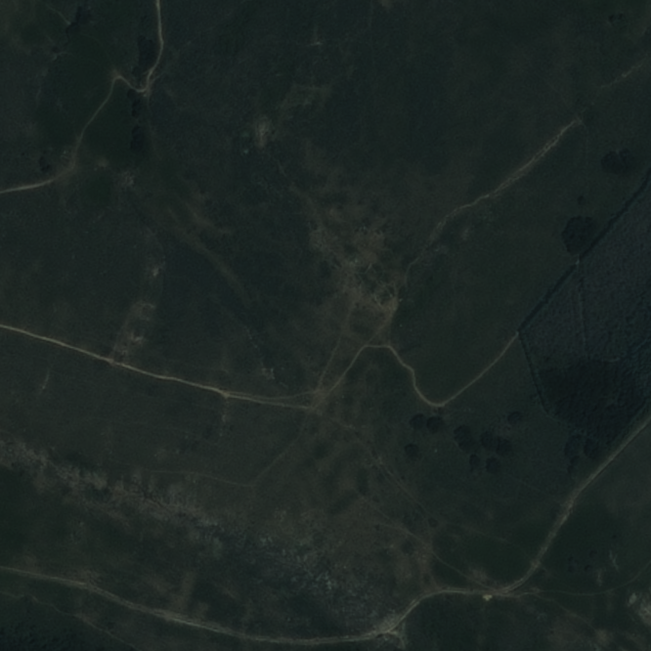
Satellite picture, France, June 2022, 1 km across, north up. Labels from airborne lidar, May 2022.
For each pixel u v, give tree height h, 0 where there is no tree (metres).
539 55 0
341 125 0
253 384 0
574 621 0
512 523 0
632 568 0
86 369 0
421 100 0
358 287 0
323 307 0
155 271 0
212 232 0
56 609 0
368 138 0
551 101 0
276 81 0
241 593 0
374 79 0
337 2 0
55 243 0
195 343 0
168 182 0
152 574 0
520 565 0
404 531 0
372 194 0
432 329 0
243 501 0
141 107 15
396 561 0
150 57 16
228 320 0
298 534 0
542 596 0
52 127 0
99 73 0
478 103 0
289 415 0
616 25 10
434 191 0
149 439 0
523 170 0
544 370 7
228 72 0
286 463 0
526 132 0
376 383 0
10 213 0
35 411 0
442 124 0
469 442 21
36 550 0
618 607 0
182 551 0
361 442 0
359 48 0
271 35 0
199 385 0
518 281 0
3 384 0
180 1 0
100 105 0
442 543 0
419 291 0
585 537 0
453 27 0
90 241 0
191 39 0
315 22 0
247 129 0
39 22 0
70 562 0
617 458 0
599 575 0
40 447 0
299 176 0
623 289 15
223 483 0
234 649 0
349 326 0
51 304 0
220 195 0
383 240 0
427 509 0
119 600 0
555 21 0
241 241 0
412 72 0
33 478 0
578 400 17
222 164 0
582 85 0
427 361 0
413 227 0
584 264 14
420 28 0
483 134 0
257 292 0
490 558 0
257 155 0
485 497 0
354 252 0
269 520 0
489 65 0
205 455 0
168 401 0
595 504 0
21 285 0
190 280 0
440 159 0
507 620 0
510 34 0
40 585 0
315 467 0
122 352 0
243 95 0
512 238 0
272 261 0
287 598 0
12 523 0
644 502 0
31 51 0
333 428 0
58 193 0
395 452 0
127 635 0
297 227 0
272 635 0
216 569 0
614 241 11
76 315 0
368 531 0
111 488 0
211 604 0
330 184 0
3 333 0
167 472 0
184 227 0
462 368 0
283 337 0
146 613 0
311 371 0
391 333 0
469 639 0
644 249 21
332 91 0
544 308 17
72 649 9
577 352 12
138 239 0
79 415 0
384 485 0
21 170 0
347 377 0
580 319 11
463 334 0
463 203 0
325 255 0
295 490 0
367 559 0
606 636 0
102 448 0
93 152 0
